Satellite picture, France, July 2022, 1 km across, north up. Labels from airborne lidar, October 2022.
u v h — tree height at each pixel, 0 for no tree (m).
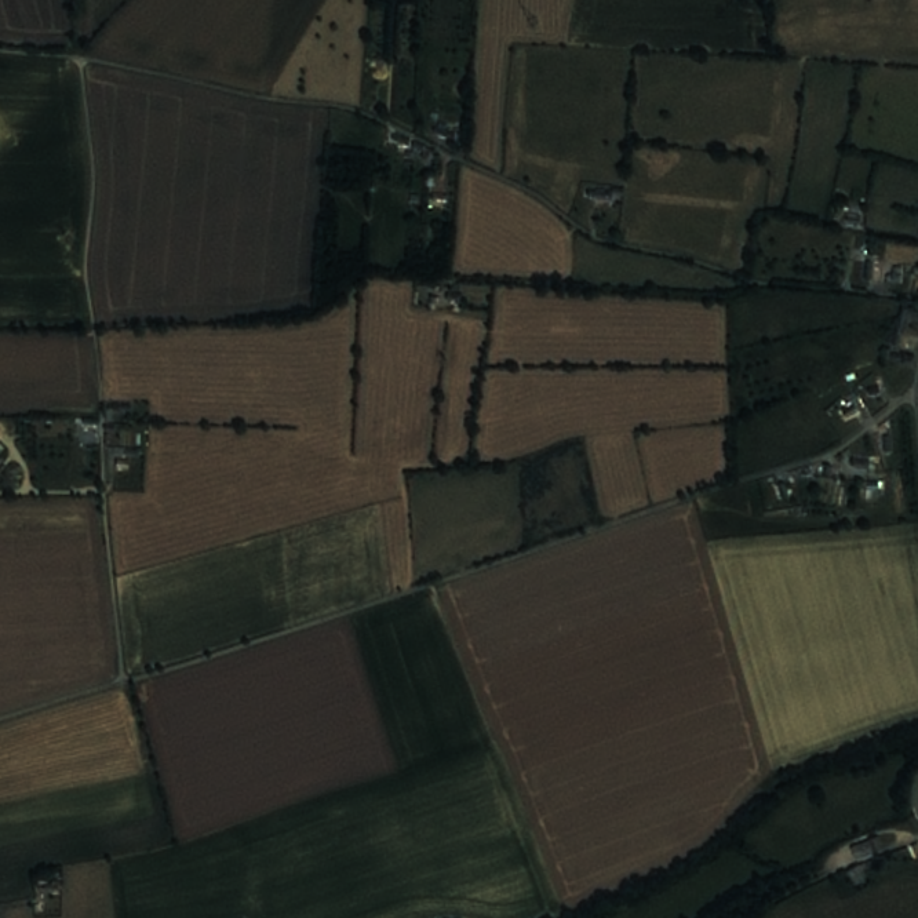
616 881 0
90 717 0
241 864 0
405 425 0
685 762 0
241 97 0
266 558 0
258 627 0
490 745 0
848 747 13
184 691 0
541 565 0
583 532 10
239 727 0
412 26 13
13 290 0
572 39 0
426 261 6
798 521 0
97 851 0
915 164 8
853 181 0
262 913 0
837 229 14
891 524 0
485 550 0
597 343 0
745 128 0
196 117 0
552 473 0
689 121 0
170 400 0
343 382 0
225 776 0
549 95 0
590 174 0
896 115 0
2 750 0
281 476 0
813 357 0
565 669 0
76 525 0
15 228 0
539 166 0
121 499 0
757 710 0
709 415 0
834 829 0
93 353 0
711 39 0
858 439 0
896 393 0
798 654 0
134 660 0
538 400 0
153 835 0
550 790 0
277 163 0
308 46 0
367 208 10
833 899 0
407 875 0
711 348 0
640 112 0
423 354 0
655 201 0
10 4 0
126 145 0
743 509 0
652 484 0
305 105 0
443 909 0
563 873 0
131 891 0
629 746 0
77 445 0
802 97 13
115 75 0
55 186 0
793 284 10
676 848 0
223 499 0
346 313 0
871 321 0
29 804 0
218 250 0
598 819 0
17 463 0
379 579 0
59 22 0
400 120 0
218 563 0
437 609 0
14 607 0
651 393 0
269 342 0
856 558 0
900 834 0
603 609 0
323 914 0
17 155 0
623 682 0
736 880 0
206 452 0
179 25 0
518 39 0
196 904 0
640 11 0
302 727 0
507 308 0
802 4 0
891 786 0
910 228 0
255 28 0
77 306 0
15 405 0
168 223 0
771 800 19
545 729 0
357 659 0
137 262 0
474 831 0
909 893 0
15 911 0
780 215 14
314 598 0
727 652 0
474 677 0
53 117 0
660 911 0
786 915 0
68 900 0
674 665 0
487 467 8
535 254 0
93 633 0
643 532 0
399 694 0
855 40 0
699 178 0
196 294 0
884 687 0
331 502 0
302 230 0
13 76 0
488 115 0
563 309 0
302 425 0
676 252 0
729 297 8
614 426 0
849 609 0
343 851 0
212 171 0
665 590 0
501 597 0
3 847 0
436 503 0
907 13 0
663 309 0
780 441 0
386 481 0
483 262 0
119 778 0
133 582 0
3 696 0
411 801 0
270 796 0
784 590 0
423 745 0
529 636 0
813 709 0
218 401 0
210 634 0
